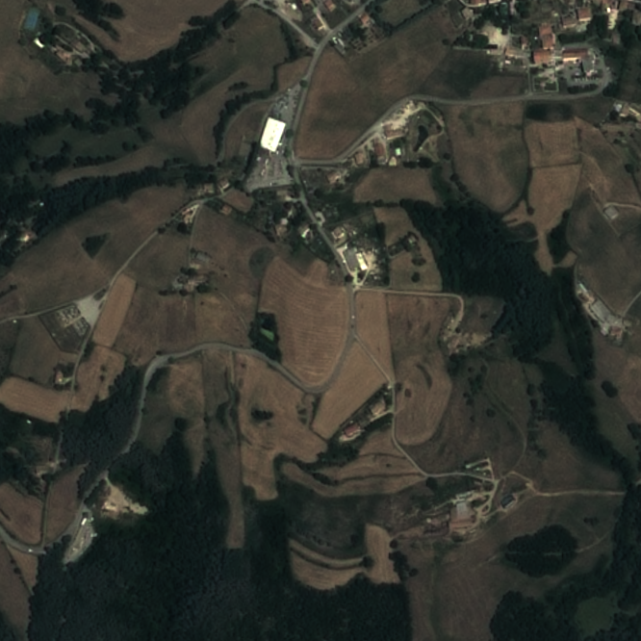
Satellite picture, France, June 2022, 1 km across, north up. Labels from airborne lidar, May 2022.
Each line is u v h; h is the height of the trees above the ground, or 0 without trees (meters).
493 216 11
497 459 0
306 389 0
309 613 13
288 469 0
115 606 20
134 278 0
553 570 15
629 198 0
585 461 0
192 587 17
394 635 12
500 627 18
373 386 0
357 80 0
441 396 0
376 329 0
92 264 0
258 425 0
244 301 0
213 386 0
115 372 0
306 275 0
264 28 0
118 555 19
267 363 0
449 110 0
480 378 7
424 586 0
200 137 0
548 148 0
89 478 15
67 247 0
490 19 10
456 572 0
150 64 13
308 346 0
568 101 0
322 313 0
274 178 0
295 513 0
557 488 0
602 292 0
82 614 20
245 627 8
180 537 13
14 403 0
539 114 0
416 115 0
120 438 19
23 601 0
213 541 7
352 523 0
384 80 0
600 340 0
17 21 0
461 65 0
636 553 17
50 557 12
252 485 0
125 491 0
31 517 0
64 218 20
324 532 0
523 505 0
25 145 16
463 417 0
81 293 0
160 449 0
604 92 8
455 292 7
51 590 16
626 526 14
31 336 0
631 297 0
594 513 0
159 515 13
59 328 0
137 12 0
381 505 0
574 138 0
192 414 0
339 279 0
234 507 0
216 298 0
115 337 0
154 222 0
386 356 0
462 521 0
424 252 0
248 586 15
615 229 0
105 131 24
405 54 0
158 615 15
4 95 0
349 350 0
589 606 0
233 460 0
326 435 0
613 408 0
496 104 0
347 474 0
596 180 0
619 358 0
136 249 0
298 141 0
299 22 0
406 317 0
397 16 0
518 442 0
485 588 0
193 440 0
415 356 0
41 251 0
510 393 0
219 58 0
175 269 0
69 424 10
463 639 0
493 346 8
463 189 9
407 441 0
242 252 0
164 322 0
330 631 10
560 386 0
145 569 13
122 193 15
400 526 0
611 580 18
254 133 0
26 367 0
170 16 0
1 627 25
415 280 6
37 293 0
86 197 20
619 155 0
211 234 0
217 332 0
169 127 0
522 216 0
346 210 0
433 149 0
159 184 12
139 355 0
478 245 20
